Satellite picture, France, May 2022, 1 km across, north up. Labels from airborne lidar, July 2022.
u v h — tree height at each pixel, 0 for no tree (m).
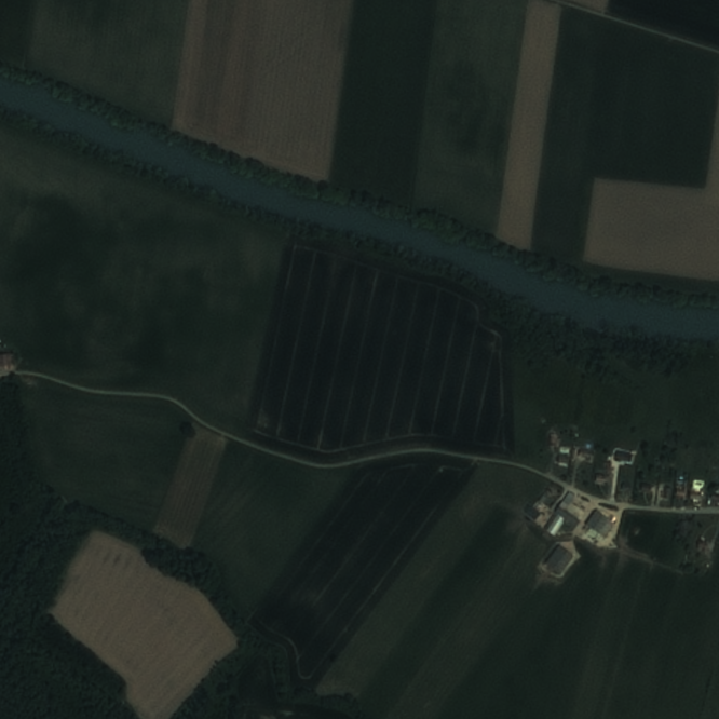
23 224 0
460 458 0
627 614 0
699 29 0
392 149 0
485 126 0
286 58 0
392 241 0
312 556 0
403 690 0
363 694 0
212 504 0
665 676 0
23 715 24
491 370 0
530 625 0
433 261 12
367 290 0
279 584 0
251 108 0
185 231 0
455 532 0
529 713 0
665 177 0
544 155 0
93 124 0
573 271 19
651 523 0
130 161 14
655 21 0
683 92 0
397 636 0
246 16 0
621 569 0
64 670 23
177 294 0
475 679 0
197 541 0
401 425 0
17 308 0
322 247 0
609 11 0
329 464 0
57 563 23
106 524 20
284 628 0
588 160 0
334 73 0
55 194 0
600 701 0
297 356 0
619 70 0
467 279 16
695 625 0
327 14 0
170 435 0
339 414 0
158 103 0
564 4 0
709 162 0
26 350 0
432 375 0
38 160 0
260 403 0
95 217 0
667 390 0
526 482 0
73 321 0
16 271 0
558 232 0
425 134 0
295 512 0
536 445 0
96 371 0
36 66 0
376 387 0
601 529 0
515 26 0
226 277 0
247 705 0
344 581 0
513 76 0
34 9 0
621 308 0
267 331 0
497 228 0
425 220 15
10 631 20
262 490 0
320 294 0
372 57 0
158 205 0
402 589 0
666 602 0
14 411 10
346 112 0
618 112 0
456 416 0
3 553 7
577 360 25
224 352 0
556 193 0
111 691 10
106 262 0
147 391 0
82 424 0
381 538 0
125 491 0
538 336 15
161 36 0
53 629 13
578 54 0
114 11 0
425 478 0
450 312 0
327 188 20
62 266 0
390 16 0
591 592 0
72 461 0
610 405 0
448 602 0
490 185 0
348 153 0
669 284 0
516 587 0
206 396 0
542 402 0
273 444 0
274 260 0
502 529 0
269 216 13
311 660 0
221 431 0
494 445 0
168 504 0
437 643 0
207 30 0
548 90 0
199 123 0
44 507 9
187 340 0
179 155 0
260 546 0
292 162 0
